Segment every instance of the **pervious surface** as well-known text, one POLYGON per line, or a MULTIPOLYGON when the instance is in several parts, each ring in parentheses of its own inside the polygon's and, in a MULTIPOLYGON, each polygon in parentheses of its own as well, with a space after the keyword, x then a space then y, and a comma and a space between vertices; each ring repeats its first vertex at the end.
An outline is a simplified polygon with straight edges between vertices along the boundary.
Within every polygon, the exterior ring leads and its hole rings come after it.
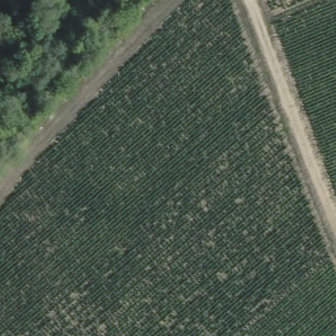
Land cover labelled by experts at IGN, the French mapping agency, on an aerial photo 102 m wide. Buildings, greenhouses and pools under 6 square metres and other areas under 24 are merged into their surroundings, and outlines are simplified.
POLYGON ((262 54, 276 83, 283 112, 289 119, 291 133, 297 140, 304 165, 322 203, 325 219, 328 220, 336 239, 336 196, 325 172, 323 156, 318 150, 310 122, 303 112, 302 101, 298 97, 295 98, 289 91, 287 76, 283 75, 282 64, 278 62, 276 51, 273 50, 257 0, 243 0, 259 38, 262 54))

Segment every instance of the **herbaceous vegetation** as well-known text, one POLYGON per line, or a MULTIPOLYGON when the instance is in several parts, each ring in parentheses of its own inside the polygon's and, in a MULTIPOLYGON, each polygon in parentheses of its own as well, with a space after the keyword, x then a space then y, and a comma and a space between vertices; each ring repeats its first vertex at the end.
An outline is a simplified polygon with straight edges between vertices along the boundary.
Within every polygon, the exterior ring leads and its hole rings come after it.
POLYGON ((129 37, 121 39, 110 50, 105 63, 94 71, 92 76, 80 81, 76 96, 64 100, 56 113, 41 123, 38 133, 31 135, 30 142, 22 144, 21 163, 10 167, 8 172, 1 173, 0 176, 0 205, 21 181, 22 173, 33 167, 35 156, 55 143, 56 134, 63 133, 72 121, 75 121, 77 112, 102 92, 102 85, 112 79, 119 71, 118 68, 144 43, 150 41, 151 34, 163 26, 164 21, 171 17, 173 10, 180 9, 180 4, 184 0, 156 0, 144 8, 140 24, 135 26, 129 37))
POLYGON ((269 8, 266 0, 257 0, 273 50, 276 51, 278 62, 282 64, 283 75, 287 76, 289 91, 295 98, 298 97, 295 80, 291 76, 276 26, 268 24, 274 16, 282 13, 282 8, 269 8))
POLYGON ((308 201, 311 214, 314 215, 329 259, 336 269, 336 239, 328 220, 325 219, 322 203, 304 165, 297 140, 291 133, 289 119, 283 112, 276 83, 262 54, 259 38, 243 0, 230 0, 240 26, 241 37, 244 38, 244 45, 251 54, 252 66, 259 76, 261 96, 268 98, 277 126, 276 131, 282 135, 282 139, 274 138, 274 143, 285 144, 283 151, 293 160, 304 197, 308 201))

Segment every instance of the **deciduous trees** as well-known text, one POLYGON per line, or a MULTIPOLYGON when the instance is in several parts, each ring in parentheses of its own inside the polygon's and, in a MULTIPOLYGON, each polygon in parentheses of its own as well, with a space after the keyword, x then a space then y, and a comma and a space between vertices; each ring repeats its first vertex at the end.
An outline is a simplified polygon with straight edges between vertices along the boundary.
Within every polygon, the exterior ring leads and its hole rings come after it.
POLYGON ((45 45, 45 41, 35 37, 37 31, 31 14, 28 18, 22 17, 20 24, 13 28, 10 17, 7 14, 0 14, 0 42, 3 39, 16 39, 20 43, 20 52, 9 60, 1 60, 5 75, 14 81, 29 75, 33 60, 42 54, 41 46, 45 45))

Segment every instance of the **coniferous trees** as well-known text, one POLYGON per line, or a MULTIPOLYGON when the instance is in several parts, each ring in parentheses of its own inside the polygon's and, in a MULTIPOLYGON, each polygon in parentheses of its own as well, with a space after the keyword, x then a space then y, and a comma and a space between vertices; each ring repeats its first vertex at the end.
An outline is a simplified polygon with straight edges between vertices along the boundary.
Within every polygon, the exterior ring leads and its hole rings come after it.
POLYGON ((156 0, 0 0, 0 14, 7 14, 10 17, 13 28, 20 24, 22 17, 28 18, 31 14, 37 31, 35 37, 45 41, 45 45, 41 46, 42 54, 33 60, 29 75, 14 81, 5 75, 1 60, 9 60, 20 52, 20 43, 16 39, 3 39, 0 42, 0 176, 1 173, 8 172, 10 167, 21 163, 22 144, 30 142, 31 135, 38 133, 41 123, 56 113, 64 100, 76 96, 80 81, 92 76, 94 71, 105 63, 110 50, 121 39, 129 37, 135 26, 140 24, 144 8, 156 0))

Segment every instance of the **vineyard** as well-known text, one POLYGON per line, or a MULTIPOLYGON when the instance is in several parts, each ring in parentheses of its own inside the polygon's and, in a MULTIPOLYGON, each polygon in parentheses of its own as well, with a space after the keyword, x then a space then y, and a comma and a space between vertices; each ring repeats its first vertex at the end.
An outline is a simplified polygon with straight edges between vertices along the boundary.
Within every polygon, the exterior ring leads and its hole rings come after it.
POLYGON ((22 173, 21 181, 0 205, 0 336, 336 336, 336 269, 329 259, 314 215, 311 214, 308 201, 304 197, 293 160, 283 151, 285 144, 274 143, 274 138, 282 139, 282 135, 276 131, 277 126, 268 98, 261 96, 259 76, 252 66, 251 54, 244 45, 244 38, 241 37, 240 26, 230 0, 184 0, 180 4, 180 9, 173 10, 171 17, 164 21, 163 26, 151 34, 150 41, 144 43, 118 68, 119 71, 112 79, 102 85, 102 92, 77 112, 75 121, 72 121, 63 133, 56 134, 55 143, 35 156, 33 167, 22 173))
POLYGON ((318 150, 323 156, 325 172, 336 196, 336 0, 266 0, 269 8, 282 8, 282 13, 274 16, 268 24, 276 26, 291 76, 295 80, 298 97, 302 101, 303 112, 310 122, 318 150))

